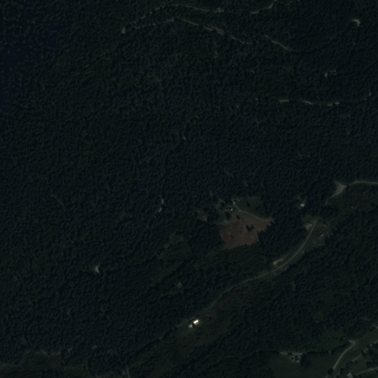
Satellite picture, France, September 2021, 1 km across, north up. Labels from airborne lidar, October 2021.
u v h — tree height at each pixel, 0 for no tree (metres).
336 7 20
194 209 31
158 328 28
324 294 18
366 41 22
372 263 17
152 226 30
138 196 26
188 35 18
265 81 14
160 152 27
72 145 18
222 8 5
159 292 26
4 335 19
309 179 21
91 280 23
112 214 15
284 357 0
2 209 12
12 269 10
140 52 26
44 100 9
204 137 23
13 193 20
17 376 6
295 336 23
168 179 30
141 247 26
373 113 28
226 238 0
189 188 31
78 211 6
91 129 12
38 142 13
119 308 19
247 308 10
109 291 18
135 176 26
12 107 23
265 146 18
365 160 15
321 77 13
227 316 7
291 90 15
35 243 13
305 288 29
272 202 8
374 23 6
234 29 20
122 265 22
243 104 10
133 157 7
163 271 15
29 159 14
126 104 31
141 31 12
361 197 7
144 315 21
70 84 7
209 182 30
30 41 20
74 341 6
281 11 11
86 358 21
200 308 19
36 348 8
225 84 16
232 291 9
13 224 11
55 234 11
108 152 20
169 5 16
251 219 0
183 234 18
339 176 26
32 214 6
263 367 25
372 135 29
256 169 24
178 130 25
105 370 25
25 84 15
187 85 23
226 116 25
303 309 30
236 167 28
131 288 24
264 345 18
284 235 26
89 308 27
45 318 30
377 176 21
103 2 21
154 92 33
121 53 10
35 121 13
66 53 12
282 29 15
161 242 25
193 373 24
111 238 19
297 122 22
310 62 21
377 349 13
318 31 24
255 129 27
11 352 31
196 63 16
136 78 34
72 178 16
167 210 24
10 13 6
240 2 19
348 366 14
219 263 8
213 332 6
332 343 17
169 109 26
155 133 15
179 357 10
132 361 26
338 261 24
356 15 19
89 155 10
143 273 28
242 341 28
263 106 15
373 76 17
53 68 11
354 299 14
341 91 21
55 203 14
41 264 8
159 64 25
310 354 17
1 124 7
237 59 28
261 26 15
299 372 0
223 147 26
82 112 13
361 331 19
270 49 16
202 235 28
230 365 28
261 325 30
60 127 14
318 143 19
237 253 7
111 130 15
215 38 9
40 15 18
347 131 31
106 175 13
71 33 13
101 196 11
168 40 14
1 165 20
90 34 19
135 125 21
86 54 15
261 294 7
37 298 25
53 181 15
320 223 0
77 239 15
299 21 18
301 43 21
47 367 7
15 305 28
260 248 6
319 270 22
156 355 9
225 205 16
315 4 18
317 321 17
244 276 7
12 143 22
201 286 27
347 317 23
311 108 10
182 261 6
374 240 15
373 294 30
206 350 11
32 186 11
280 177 27
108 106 9
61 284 26
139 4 14
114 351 32
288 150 17
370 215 12
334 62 19
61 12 15
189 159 28
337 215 20
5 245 18
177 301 26
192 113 8
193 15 7
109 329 22
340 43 20
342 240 16
